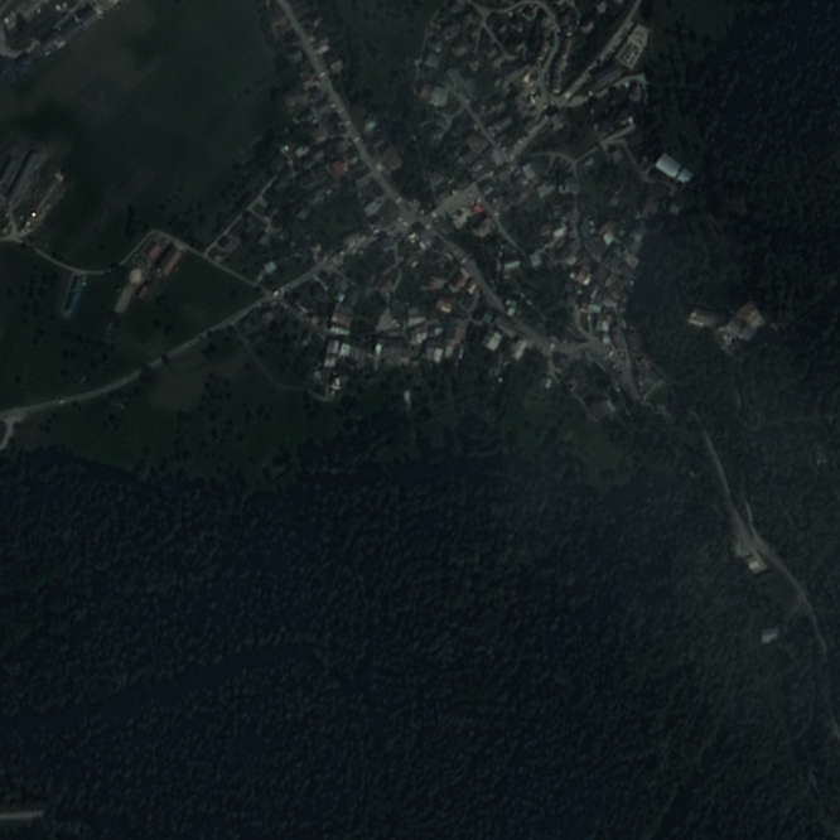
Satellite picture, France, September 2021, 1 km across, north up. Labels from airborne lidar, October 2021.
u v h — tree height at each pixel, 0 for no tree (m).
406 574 23
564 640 34
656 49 0
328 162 8
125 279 10
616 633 19
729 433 9
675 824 11
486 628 24
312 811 24
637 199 0
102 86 0
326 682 18
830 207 14
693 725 19
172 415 0
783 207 17
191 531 12
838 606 7
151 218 0
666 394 0
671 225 14
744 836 27
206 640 30
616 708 22
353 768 27
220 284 0
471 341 8
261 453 0
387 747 25
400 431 28
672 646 21
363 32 0
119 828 8
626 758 30
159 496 21
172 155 0
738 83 17
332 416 0
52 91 0
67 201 0
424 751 28
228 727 26
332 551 20
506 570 18
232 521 19
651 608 22
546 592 19
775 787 23
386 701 28
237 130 0
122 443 0
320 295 0
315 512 23
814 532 19
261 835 27
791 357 21
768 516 15
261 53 0
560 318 10
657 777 26
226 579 27
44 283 7
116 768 9
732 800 27
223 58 0
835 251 29
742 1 25
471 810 32
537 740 31
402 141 20
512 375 11
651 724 25
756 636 6
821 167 22
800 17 26
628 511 22
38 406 0
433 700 18
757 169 8
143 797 8
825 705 21
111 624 27
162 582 29
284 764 29
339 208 7
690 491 24
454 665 20
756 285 35
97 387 0
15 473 13
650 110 10
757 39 16
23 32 13
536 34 6
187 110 0
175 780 26
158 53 0
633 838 21
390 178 0
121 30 0
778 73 11
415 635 27
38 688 21
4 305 0
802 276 9
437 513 20
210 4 0
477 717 17
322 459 24
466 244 15
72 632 19
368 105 11
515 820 22
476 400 12
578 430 0
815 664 23
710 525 18
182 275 0
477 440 19
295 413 0
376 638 27
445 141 7
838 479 15
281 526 27
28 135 0
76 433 0
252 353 0
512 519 19
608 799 22
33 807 11
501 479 25
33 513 25
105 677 22
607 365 0
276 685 14
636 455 17
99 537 32
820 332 21
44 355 0
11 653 13
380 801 25
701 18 0
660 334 21
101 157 0
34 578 25
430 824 33
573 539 24
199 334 0
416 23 10
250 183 8
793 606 0
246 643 27
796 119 23
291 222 11
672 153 7
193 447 0
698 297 8
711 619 19
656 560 20
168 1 0
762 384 17
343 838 21
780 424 16
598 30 8
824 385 23
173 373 0
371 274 7
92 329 0
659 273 19
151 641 24
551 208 8
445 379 8
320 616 23
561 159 0
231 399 6
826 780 15
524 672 19
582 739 22
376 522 17
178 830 33
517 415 0
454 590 19
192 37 0
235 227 0
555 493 17
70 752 26
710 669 18
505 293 11
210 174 0
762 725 27
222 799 28
